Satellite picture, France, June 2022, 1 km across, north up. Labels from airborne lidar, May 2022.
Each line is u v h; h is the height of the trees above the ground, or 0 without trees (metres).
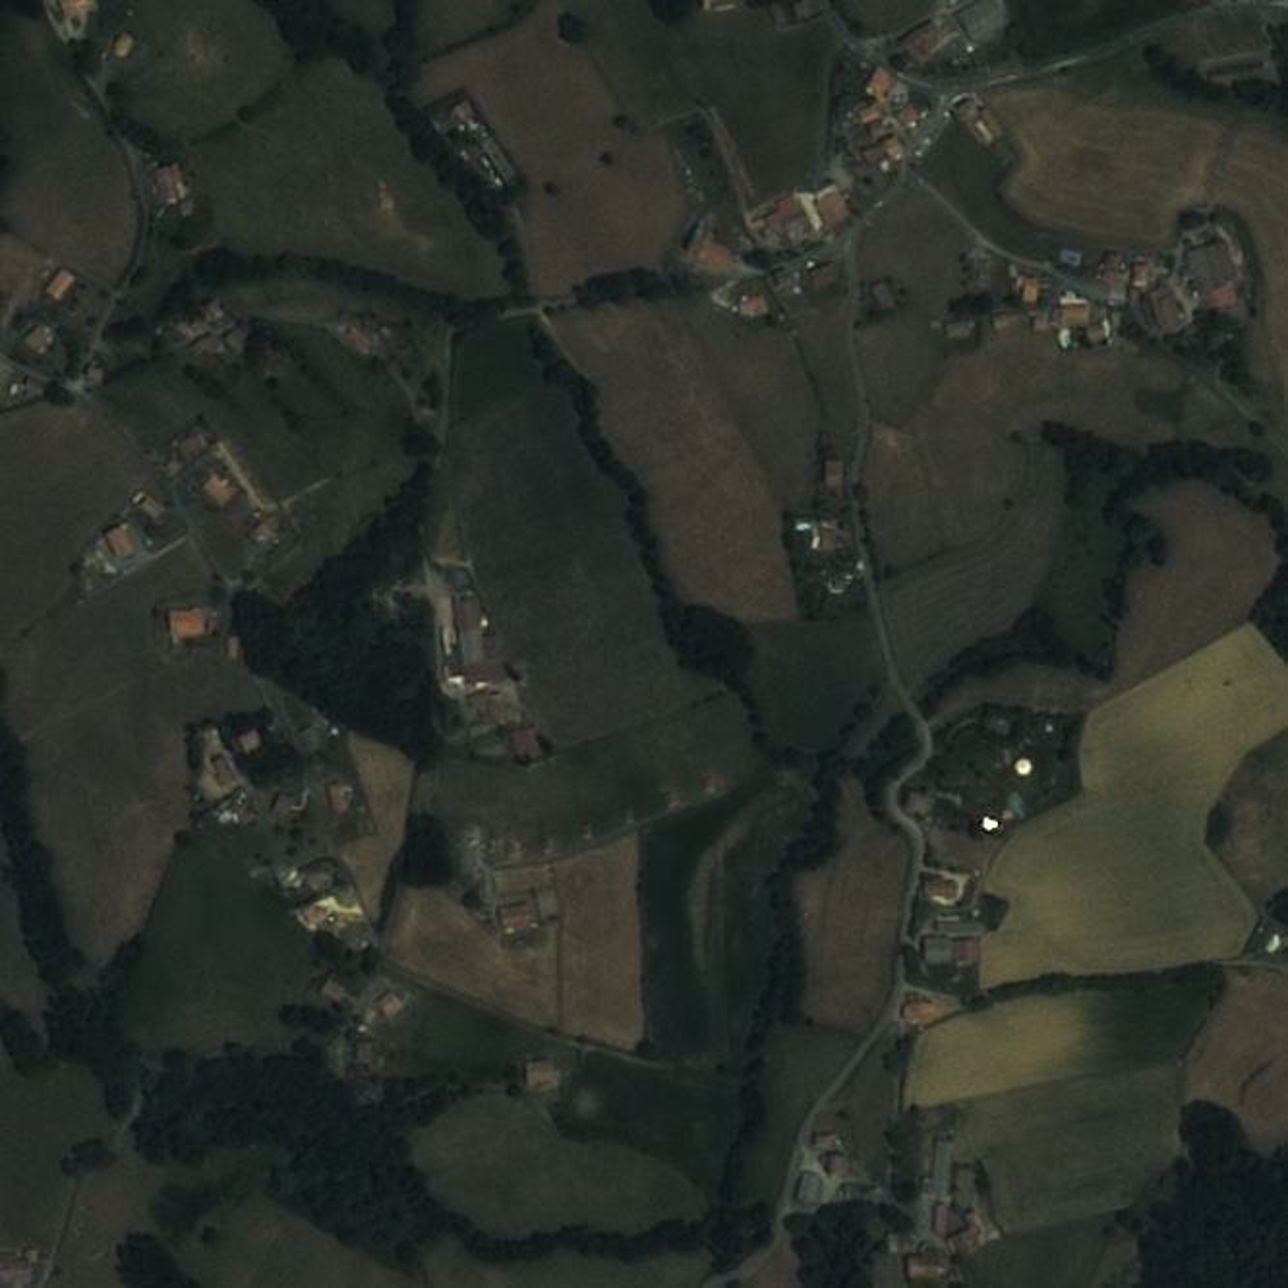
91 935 0
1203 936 0
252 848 0
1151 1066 0
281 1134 19
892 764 19
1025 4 0
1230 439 0
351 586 22
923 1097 0
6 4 19
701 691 0
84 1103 0
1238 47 0
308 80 0
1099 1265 0
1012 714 11
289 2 23
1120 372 0
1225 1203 24
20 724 0
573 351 0
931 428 0
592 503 0
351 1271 0
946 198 0
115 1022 15
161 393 0
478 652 0
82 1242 0
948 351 0
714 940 0
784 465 0
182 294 18
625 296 16
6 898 0
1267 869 0
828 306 0
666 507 0
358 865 0
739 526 0
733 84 0
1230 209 0
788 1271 0
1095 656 0
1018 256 0
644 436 0
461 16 0
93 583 0
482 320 20
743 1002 0
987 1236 0
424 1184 14
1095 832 0
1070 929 0
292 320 0
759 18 0
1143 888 0
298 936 0
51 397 10
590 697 0
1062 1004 0
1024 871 0
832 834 14
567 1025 0
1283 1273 16
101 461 0
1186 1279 15
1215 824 0
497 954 0
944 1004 0
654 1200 0
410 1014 0
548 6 0
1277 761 0
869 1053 0
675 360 0
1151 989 6
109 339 10
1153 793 0
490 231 23
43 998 0
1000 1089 0
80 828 0
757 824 0
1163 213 0
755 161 0
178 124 0
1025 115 0
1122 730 0
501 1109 0
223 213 0
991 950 0
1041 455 0
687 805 0
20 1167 0
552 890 0
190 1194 0
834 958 0
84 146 0
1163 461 14
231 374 9
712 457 0
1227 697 0
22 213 0
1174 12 0
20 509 0
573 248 0
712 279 0
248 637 18
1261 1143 0
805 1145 0
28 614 0
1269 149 0
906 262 0
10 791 23
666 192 0
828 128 0
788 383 0
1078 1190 0
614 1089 0
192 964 0
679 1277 0
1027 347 0
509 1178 0
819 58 0
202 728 5
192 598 0
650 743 0
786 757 7
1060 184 0
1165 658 0
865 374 0
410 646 23
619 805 0
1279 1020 0
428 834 22
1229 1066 0
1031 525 0
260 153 0
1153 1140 0
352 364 0
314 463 0
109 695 0
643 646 0
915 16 0
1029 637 13
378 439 0
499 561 0
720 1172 0
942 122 0
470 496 0
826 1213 11
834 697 0
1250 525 0
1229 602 0
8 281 0
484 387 0
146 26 0
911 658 0
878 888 0
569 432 0
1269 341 0
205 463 0
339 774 0
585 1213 0
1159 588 0
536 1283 0
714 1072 0
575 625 0
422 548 22
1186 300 0
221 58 0
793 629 0
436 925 0
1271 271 0
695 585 0
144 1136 14
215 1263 0
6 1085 0
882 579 8
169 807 0
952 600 0
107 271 0
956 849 0
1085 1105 0
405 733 19
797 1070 0
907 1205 7
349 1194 21
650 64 0
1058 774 0
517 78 0
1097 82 0
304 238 0
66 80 0
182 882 0
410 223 0
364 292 14
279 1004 0
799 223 0
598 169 0
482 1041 0
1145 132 0
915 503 0
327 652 18
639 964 0
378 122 0
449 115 0
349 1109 18
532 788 0
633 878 0
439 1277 0
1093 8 0
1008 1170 0
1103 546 0
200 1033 0
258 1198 0
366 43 21
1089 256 0
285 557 0
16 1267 0
